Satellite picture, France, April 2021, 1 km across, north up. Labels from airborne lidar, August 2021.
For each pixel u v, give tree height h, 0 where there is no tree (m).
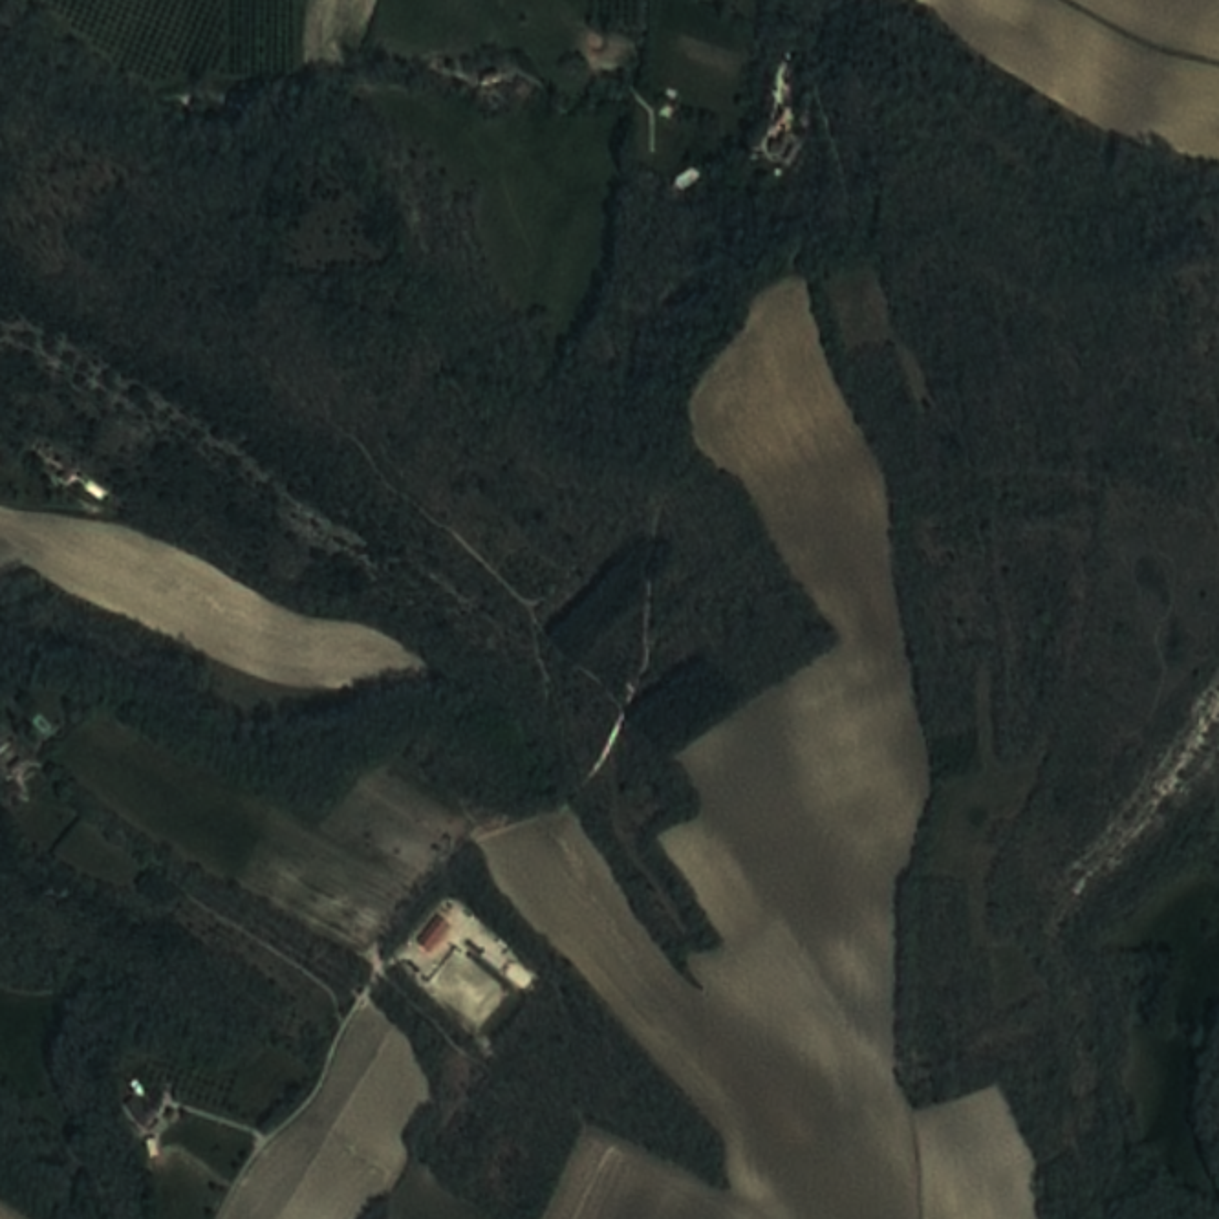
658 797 10
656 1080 17
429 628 10
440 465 9
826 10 14
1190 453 9
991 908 10
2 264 11
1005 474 7
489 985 0
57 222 9
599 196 0
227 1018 19
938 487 12
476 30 0
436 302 11
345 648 0
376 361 8
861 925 0
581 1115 15
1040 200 15
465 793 13
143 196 12
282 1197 0
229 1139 0
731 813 0
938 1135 0
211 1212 7
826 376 0
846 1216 0
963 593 6
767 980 0
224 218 14
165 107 12
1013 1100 14
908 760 0
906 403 17
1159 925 0
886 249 12
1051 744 10
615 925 0
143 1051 13
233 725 26
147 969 21
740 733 0
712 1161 16
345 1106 0
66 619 12
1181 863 19
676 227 15
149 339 8
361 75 18
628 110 7
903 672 0
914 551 12
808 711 0
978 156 11
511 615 10
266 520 9
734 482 13
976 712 15
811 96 8
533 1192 14
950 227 13
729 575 16
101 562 0
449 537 8
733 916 0
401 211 7
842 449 0
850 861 0
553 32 0
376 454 9
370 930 0
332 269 7
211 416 5
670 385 9
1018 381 15
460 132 0
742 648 17
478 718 22
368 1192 0
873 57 6
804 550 0
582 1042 13
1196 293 7
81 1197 18
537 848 0
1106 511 10
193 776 0
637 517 12
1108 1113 15
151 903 9
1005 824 10
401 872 0
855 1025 0
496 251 0
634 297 13
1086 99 0
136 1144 13
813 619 15
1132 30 0
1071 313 14
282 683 0
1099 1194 10
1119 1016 19
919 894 15
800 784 0
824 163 6
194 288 11
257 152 10
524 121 0
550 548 10
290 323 14
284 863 0
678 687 13
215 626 0
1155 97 0
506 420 12
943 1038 11
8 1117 25
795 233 10
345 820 0
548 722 16
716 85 0
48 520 0
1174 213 7
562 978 13
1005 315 11
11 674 15
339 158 7
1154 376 13
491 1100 11
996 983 8
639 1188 0
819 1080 0
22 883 10
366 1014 0
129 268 11
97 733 0
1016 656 7
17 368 8
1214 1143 21
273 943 7
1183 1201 22
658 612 6
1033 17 0
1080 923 13
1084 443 12
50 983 13
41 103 12
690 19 0
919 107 10
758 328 0
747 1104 0
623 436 23
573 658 13
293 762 25
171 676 15
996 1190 0
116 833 15
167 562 0
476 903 13
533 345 20
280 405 11
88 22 6
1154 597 0
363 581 13
